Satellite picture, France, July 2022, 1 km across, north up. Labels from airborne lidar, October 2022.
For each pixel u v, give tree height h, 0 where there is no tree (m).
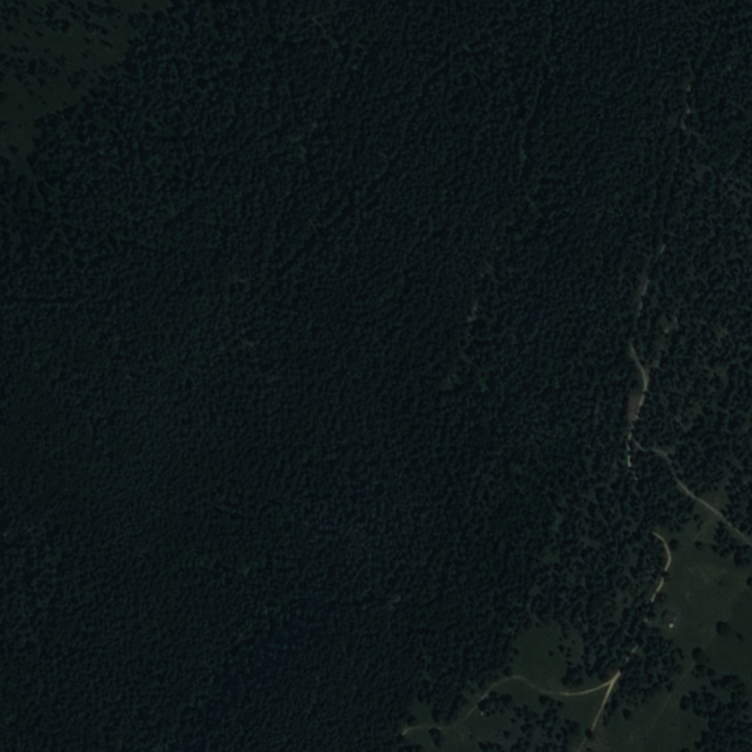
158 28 21
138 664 25
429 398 26
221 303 17
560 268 18
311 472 33
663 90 15
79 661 23
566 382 9
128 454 22
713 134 17
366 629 22
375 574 29
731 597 0
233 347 17
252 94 25
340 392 21
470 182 22
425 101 23
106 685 35
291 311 23
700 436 8
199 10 31
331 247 25
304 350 22
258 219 25
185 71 32
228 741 25
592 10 23
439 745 20
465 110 28
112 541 26
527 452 13
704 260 8
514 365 28
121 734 34
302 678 25
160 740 23
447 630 14
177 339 22
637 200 8
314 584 19
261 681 20
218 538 27
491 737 0
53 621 25
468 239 24
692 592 0
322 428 26
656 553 9
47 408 24
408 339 22
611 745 0
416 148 22
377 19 29
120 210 26
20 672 30
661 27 7
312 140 23
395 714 20
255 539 26
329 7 32
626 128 21
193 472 28
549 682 0
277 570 22
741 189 23
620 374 18
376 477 29
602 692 0
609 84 18
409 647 21
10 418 32
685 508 13
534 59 20
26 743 29
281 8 31
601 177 14
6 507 37
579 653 0
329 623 22
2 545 19
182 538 26
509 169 24
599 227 13
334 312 20
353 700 14
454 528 24
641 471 13
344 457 30
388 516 27
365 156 29
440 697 24
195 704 23
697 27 19
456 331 27
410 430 21
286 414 23
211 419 7
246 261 29
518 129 25
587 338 22
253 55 28
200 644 22
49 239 19
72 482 21
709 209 21
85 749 31
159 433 27
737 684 12
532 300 21
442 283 27
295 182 19
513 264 23
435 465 29
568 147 21
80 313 32
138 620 30
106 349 21
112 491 23
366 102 22
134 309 25
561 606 23
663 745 0
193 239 31
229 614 22
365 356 20
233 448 25
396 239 25
